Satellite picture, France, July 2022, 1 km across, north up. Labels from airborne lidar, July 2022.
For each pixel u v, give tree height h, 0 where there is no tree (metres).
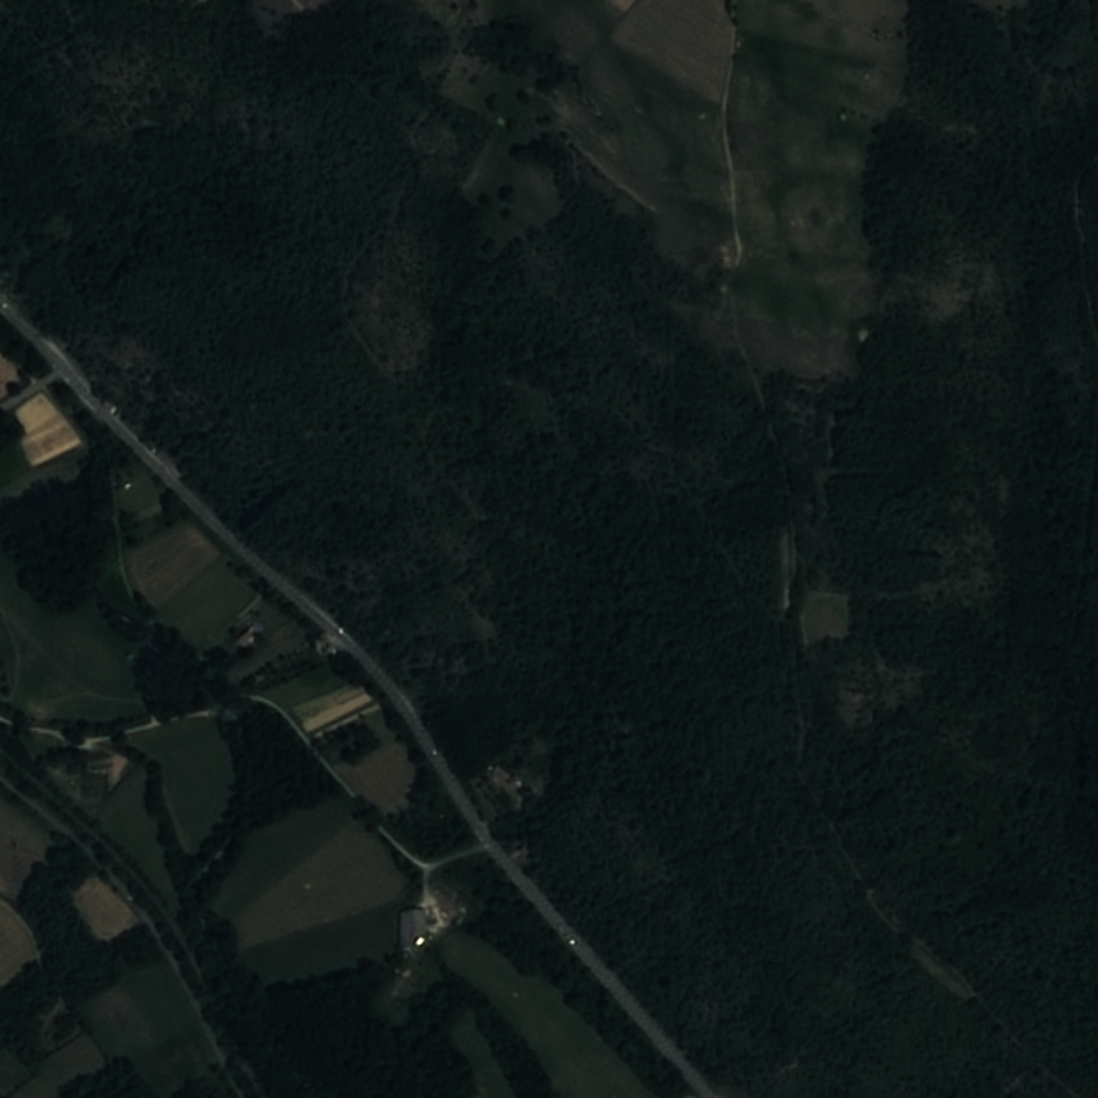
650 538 18
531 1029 0
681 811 12
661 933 10
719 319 0
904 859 9
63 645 0
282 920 0
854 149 0
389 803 0
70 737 16
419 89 11
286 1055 25
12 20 14
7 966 0
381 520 10
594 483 5
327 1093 19
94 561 15
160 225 18
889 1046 10
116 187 14
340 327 12
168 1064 0
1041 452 25
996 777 9
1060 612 16
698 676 16
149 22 10
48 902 11
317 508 13
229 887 0
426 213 12
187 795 0
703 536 9
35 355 16
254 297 9
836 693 6
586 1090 0
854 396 8
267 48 18
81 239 12
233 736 17
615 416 9
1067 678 21
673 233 0
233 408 7
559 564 22
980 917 17
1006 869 14
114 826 0
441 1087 19
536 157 14
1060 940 16
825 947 9
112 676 0
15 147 15
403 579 9
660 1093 8
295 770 19
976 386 10
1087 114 16
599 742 8
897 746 22
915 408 15
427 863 8
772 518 10
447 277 18
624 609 12
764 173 0
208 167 10
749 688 9
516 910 14
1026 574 19
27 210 12
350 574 7
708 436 11
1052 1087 7
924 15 13
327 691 0
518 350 11
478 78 10
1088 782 24
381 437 8
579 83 8
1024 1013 13
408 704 0
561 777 29
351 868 0
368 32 9
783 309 0
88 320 9
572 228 13
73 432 0
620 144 0
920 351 13
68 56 9
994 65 20
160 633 17
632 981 13
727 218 0
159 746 0
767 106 0
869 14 0
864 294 0
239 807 19
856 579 7
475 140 11
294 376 9
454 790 0
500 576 13
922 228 9
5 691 9
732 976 7
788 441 9
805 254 0
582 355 10
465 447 11
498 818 6
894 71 0
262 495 8
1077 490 9
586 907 15
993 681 12
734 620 14
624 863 7
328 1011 27
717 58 0
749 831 13
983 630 12
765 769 8
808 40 0
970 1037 6
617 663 13
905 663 10
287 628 0
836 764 15
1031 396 17
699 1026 10
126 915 0
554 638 10
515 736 11
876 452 21
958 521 8
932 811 19
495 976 0
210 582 0
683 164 0
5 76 13
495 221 0
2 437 19
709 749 7
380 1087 21
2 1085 0
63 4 8
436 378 13
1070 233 10
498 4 0
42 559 21
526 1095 20
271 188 18
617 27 0
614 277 12
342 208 7
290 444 10
